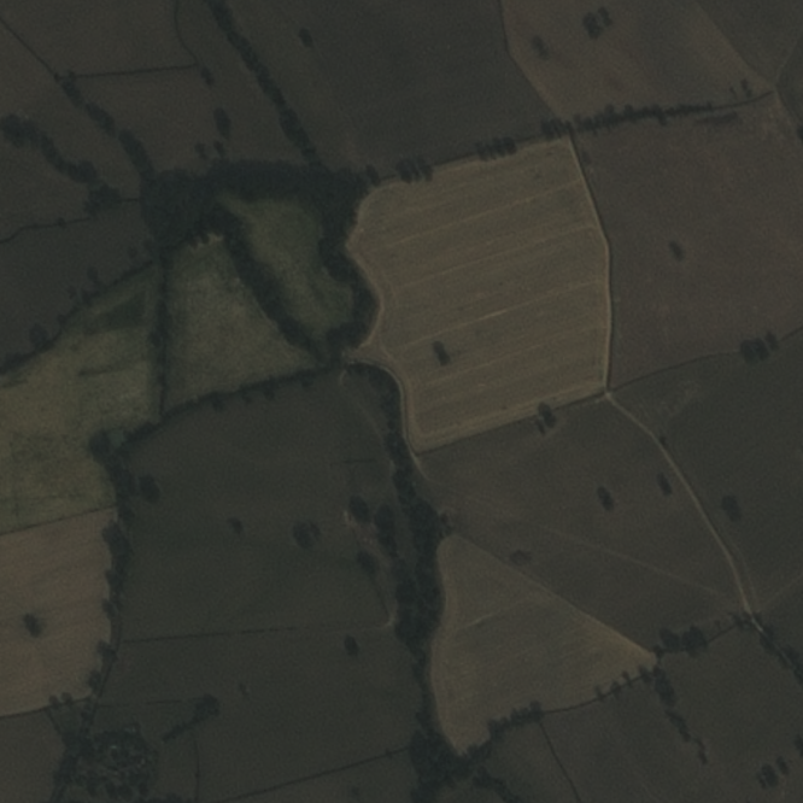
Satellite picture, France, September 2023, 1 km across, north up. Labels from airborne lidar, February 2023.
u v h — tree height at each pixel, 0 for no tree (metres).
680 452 0
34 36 0
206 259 0
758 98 0
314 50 0
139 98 0
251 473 0
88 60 0
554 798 0
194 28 0
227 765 0
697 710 0
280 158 0
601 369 0
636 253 0
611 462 0
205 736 0
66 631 0
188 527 0
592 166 0
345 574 0
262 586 0
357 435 0
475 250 0
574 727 0
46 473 0
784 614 0
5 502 0
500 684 0
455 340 0
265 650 0
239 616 0
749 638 0
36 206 0
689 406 0
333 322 0
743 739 0
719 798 0
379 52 0
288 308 0
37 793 0
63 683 0
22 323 0
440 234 0
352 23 0
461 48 0
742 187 0
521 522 0
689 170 0
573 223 0
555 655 0
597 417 0
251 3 0
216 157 0
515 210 0
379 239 0
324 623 0
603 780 0
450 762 22
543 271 0
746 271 0
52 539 0
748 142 0
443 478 0
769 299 0
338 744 0
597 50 0
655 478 0
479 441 0
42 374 0
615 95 0
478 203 0
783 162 0
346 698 0
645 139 0
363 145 0
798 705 0
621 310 0
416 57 0
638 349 0
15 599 0
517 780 0
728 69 0
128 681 0
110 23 0
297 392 0
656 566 0
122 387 0
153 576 0
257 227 0
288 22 0
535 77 0
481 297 0
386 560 0
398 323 0
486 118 0
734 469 0
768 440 0
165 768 0
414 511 15
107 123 18
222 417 0
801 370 0
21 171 0
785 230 0
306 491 0
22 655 0
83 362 0
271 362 0
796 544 0
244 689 14
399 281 0
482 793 0
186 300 0
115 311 0
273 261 0
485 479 0
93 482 0
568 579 0
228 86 0
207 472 0
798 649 0
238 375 0
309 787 0
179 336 0
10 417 0
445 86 0
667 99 0
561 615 0
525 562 0
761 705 0
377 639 0
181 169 0
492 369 0
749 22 0
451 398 0
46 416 0
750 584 0
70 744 17
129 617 0
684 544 0
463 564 0
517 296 0
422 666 12
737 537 0
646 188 0
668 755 0
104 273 0
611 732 0
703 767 0
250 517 0
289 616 0
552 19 0
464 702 0
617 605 0
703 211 0
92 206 12
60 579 0
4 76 0
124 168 0
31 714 0
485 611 0
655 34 0
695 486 0
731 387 0
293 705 0
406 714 0
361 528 0
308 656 0
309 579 0
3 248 0
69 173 13
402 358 0
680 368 0
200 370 0
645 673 11
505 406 0
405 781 0
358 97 0
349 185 22
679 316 0
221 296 0
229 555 0
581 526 0
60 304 0
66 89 15
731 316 0
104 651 16
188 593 0
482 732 0
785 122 0
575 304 0
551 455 0
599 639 0
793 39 0
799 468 0
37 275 0
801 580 0
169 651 0
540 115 0
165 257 17
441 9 0
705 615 0
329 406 0
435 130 0
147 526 0
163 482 0
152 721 0
